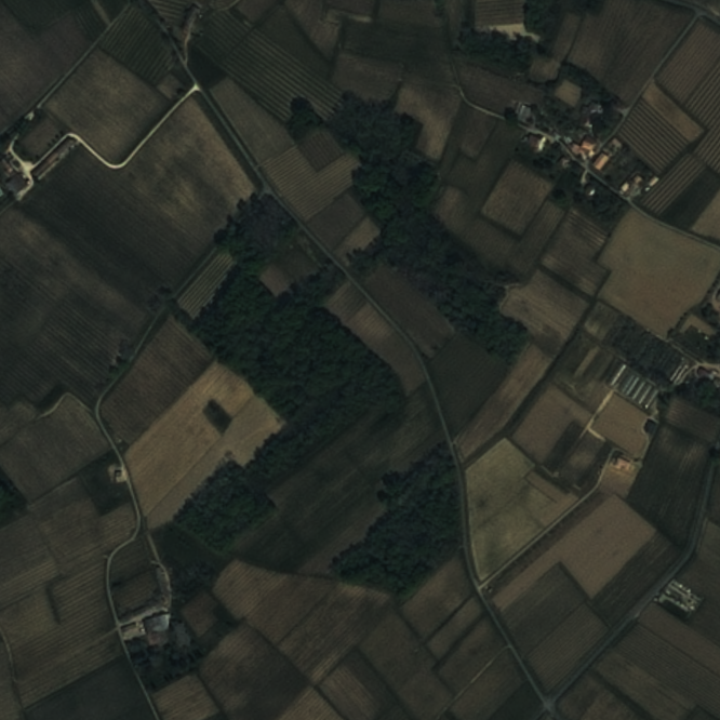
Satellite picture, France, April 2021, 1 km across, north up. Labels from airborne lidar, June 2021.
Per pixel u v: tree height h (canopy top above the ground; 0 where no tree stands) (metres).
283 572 0
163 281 0
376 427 0
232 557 0
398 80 0
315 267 0
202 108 0
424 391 0
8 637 0
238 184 0
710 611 0
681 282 0
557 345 0
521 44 22
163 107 0
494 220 0
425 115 0
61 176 0
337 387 12
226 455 0
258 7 0
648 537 0
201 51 0
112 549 0
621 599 0
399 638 0
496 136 0
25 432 0
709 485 0
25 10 0
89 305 0
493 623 0
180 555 0
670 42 0
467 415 0
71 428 0
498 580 0
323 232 0
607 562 0
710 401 16
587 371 0
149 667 19
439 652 0
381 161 15
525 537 0
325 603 0
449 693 0
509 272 8
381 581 15
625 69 0
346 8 0
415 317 0
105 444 0
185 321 16
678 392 10
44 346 0
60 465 0
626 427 0
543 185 0
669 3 0
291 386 20
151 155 0
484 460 0
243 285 25
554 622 0
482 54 16
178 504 0
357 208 0
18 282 0
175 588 16
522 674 0
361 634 0
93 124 0
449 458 9
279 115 0
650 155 0
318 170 0
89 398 0
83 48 0
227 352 22
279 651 0
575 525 0
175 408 0
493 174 0
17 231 0
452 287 9
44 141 0
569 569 0
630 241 0
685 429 0
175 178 0
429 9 0
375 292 0
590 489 0
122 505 0
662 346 6
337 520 0
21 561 0
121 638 0
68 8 0
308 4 0
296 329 23
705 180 0
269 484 10
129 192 0
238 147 0
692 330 0
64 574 0
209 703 0
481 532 0
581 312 0
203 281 0
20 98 0
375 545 18
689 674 0
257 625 0
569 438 0
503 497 0
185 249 0
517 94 0
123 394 0
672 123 0
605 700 0
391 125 27
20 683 0
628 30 0
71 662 0
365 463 0
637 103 0
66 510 0
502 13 0
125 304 0
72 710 0
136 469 0
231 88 0
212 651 0
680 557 0
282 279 0
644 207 0
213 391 0
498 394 0
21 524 0
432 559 22
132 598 0
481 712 0
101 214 0
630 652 0
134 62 0
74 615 0
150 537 0
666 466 0
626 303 0
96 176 0
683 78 0
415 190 24
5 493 22
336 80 0
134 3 12
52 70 0
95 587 0
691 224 0
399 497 21
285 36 0
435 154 0
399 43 0
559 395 0
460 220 0
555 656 0
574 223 0
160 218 0
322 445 13
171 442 0
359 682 0
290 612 0
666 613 0
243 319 20
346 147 15
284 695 0
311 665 0
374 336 0
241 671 0
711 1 0
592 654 0
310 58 0
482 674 0
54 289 0
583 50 0
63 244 0
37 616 0
